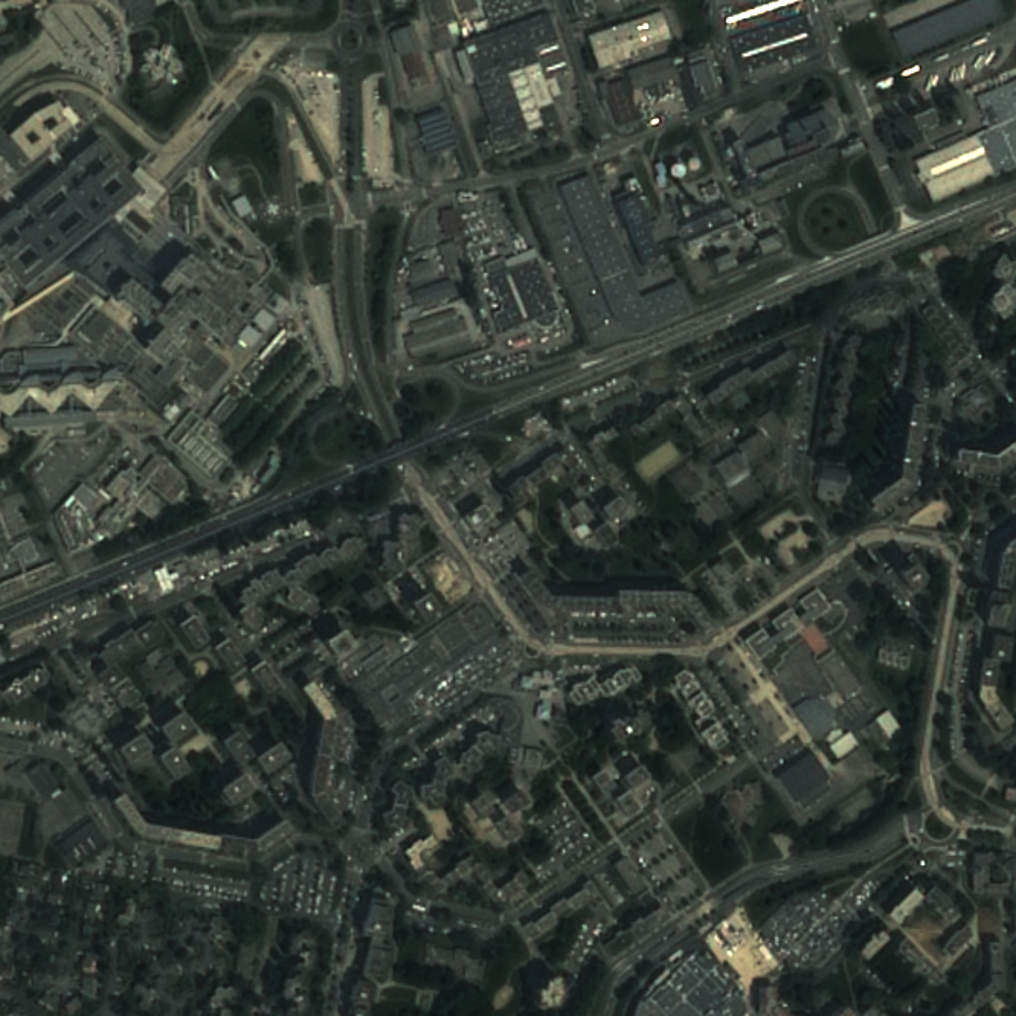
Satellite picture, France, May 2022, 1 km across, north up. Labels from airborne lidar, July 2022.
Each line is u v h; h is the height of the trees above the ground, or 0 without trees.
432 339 0
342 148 0
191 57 6
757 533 0
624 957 0
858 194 0
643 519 9
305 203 0
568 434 0
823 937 0
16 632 0
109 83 0
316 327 0
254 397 7
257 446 19
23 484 14
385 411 0
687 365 8
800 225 0
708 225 0
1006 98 0
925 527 0
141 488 0
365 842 0
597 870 0
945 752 10
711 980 0
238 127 0
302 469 0
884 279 0
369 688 0
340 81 0
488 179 0
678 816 0
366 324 0
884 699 0
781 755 0
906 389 8
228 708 8
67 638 0
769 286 0
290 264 12
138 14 0
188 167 0
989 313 14
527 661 0
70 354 0
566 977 6
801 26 0
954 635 0
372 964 0
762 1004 0
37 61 0
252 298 0
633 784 0
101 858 0
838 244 0
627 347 0
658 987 0
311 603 0
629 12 8
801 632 0
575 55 0
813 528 13
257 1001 12
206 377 0
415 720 0
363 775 7
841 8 0
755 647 0
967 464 0
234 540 16
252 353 0
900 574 0
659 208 0
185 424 0
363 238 0
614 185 0
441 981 15
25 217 0
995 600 0
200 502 12
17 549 0
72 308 0
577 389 0
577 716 18
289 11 0
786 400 17
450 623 0
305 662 10
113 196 0
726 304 0
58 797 0
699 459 9
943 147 0
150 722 0
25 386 0
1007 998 9
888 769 12
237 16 0
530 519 0
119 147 0
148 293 0
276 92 0
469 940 17
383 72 0
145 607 0
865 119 0
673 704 15
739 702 10
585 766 7
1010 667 30
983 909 0
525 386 0
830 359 9
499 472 0
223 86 0
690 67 0
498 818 0
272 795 15
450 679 0
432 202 0
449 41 0
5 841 0
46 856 0
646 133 0
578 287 0
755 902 0
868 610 22
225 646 0
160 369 0
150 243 0
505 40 0
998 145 0
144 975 11
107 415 0
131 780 12
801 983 7
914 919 0
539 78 0
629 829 9
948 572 10
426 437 0
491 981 0
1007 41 0
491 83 0
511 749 0
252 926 18
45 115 0
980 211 0
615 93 0
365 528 6
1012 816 0
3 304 0
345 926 7
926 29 0
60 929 5
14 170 0
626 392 9
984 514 0
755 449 0
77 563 0
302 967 0
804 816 0
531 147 0
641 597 0
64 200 0
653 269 0
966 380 15
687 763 0
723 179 0
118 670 0
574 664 8
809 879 7
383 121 0
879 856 0
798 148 0
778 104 0
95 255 0
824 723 0
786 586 0
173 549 0
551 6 0
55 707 13
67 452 0
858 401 22
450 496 0
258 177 0
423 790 0
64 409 0
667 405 0
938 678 0
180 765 0
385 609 8
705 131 0
